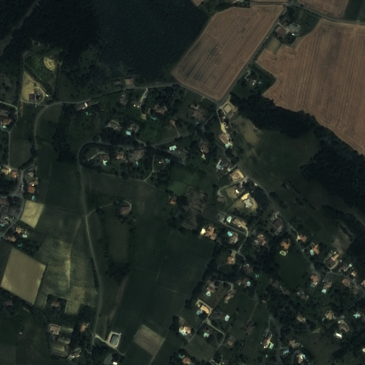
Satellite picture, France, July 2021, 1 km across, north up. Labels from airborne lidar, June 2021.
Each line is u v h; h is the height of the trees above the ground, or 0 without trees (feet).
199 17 36
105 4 42
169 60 36
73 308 0
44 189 0
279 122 35
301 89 0
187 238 0
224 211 0
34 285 0
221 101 0
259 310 0
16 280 0
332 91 0
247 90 0
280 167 0
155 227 0
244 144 0
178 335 30
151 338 0
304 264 0
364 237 36
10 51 40
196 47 0
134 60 40
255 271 37
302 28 0
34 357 0
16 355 0
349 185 60
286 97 0
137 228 0
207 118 22
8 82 0
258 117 50
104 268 0
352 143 0
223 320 0
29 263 0
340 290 30
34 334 0
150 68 34
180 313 0
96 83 34
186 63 0
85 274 0
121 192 0
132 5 38
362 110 0
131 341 0
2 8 30
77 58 29
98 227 0
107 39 31
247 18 0
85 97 0
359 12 0
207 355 0
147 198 0
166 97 45
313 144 0
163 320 0
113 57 40
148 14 39
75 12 84
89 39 42
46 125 0
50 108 0
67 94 0
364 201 72
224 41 0
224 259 0
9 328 0
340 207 0
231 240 0
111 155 40
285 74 0
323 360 0
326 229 0
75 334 55
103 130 47
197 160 0
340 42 0
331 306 19
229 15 0
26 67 33
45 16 73
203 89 0
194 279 0
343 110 0
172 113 56
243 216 20
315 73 0
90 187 0
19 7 65
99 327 0
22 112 0
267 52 0
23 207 0
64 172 0
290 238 28
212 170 0
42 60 30
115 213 20
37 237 0
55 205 0
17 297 23
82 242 0
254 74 45
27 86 0
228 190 0
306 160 0
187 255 0
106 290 0
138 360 0
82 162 43
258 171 0
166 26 45
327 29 0
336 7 0
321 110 0
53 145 43
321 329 0
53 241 0
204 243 0
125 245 0
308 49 0
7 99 0
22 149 0
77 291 0
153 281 0
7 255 0
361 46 0
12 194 0
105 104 0
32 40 33
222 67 0
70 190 0
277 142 0
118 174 54
